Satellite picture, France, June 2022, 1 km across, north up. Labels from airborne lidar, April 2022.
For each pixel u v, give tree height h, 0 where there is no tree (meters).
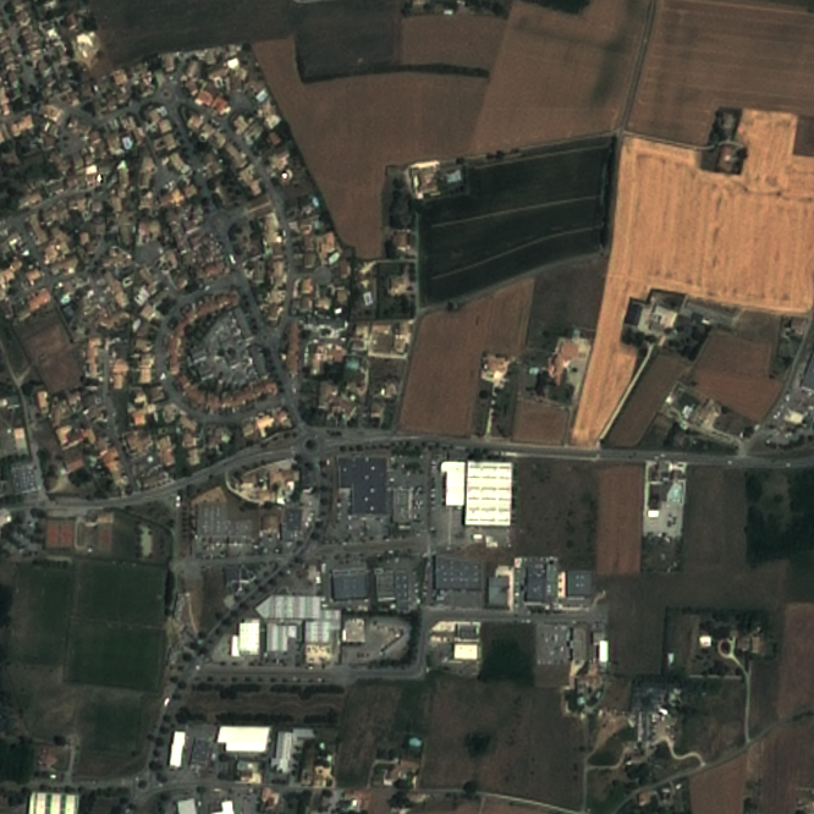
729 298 0
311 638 0
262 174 0
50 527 0
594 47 0
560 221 0
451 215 0
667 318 0
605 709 0
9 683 0
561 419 0
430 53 0
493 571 0
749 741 0
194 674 0
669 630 8
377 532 0
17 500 9
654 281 0
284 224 0
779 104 0
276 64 0
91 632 0
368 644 0
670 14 0
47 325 0
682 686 10
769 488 0
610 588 0
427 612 0
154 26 0
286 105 0
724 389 0
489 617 0
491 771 0
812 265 0
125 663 0
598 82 0
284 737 0
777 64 0
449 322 0
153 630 0
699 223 0
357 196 0
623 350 0
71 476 8
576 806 0
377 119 0
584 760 0
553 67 0
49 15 9
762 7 0
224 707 0
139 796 0
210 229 0
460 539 0
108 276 0
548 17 0
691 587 0
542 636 0
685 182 0
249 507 9
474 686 0
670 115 0
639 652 0
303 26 0
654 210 0
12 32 0
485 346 0
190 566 0
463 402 0
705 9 0
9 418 0
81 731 0
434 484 0
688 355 9
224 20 0
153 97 0
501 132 0
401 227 13
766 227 0
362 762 0
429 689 0
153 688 0
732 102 0
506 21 0
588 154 0
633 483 0
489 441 0
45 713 0
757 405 0
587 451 0
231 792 0
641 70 0
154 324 5
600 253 0
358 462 0
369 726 0
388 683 0
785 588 0
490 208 0
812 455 0
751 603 0
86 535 0
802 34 0
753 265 0
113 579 0
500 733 0
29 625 0
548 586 0
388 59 0
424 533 0
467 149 0
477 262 0
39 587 0
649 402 0
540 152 0
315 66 0
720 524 0
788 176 0
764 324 0
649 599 0
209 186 8
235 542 0
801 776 0
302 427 0
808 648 0
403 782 12
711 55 0
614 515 0
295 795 6
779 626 0
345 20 0
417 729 0
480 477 0
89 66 0
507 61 0
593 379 0
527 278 0
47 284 0
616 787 10
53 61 6
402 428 0
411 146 0
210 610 0
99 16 0
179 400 0
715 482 0
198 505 0
